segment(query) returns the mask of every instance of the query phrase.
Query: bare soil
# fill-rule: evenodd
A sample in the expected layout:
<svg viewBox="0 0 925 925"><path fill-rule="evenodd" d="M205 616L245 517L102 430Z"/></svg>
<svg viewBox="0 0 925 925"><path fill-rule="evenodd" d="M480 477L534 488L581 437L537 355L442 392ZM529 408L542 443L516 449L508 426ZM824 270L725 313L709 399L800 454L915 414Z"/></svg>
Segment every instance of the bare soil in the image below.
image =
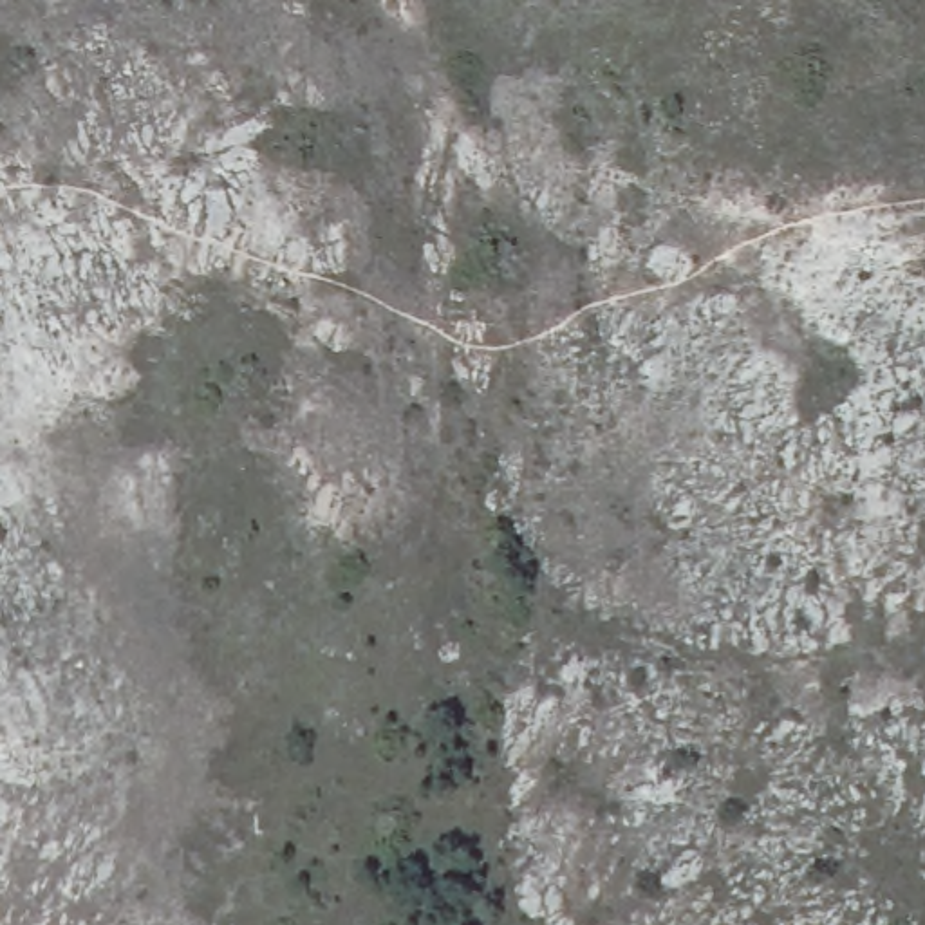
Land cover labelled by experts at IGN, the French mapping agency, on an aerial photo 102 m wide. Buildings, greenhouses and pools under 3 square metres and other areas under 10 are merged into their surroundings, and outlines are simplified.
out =
<svg viewBox="0 0 925 925"><path fill-rule="evenodd" d="M383 907L397 918L397 925L925 925L925 195L882 202L885 184L838 184L827 195L820 195L806 181L806 173L784 173L780 163L773 163L770 173L715 170L712 184L705 184L694 166L676 166L676 155L690 148L690 141L672 137L650 123L640 130L640 141L647 148L647 173L629 173L614 166L614 141L600 141L593 148L593 159L575 159L564 152L560 130L553 123L560 90L575 76L575 69L564 65L553 76L535 69L524 76L499 76L491 87L491 112L502 119L502 130L473 134L455 105L452 79L441 69L444 58L434 51L430 33L423 25L423 7L430 0L0 0L0 33L14 43L29 43L40 58L40 72L22 79L18 94L0 98L0 925L181 925L188 918L181 889L184 867L166 853L177 842L177 835L192 827L192 817L210 784L210 752L228 744L228 733L217 719L228 719L231 705L213 697L199 672L188 665L188 632L173 625L181 593L173 589L177 517L170 509L170 459L163 452L141 455L137 448L123 444L108 397L137 383L134 365L126 365L126 343L137 332L155 336L163 314L184 322L199 314L206 304L202 282L217 267L231 267L235 304L253 304L257 311L275 314L285 325L285 336L293 340L293 347L282 358L282 383L285 401L293 401L296 412L282 416L271 430L242 430L242 444L249 452L264 452L278 463L289 463L307 481L307 524L329 528L336 538L347 538L350 524L372 524L383 513L408 513L408 495L434 502L434 484L441 484L441 477L466 477L477 470L484 452L495 452L499 470L488 477L484 509L499 513L499 549L509 560L509 571L524 578L524 589L535 589L542 571L553 585L564 585L567 607L596 607L603 621L614 614L632 614L636 629L676 632L694 650L712 650L719 643L752 643L755 658L777 683L777 715L784 719L777 726L744 715L752 676L737 665L723 665L719 672L661 672L658 665L632 658L636 672L625 676L614 672L611 661L600 654L567 661L560 668L564 697L542 697L531 687L506 694L502 744L488 741L488 752L506 752L506 766L513 777L509 802L517 824L509 824L509 838L517 849L513 878L520 882L520 889L509 896L502 885L488 882L488 856L477 835L444 831L441 838L434 838L419 824L423 809L408 795L394 795L372 802L372 813L394 817L397 827L365 860L365 871ZM470 238L488 242L491 257L499 257L506 278L502 293L452 289L448 267Z"/></svg>
<svg viewBox="0 0 925 925"><path fill-rule="evenodd" d="M430 701L423 726L408 726L397 712L387 712L387 723L376 730L387 741L387 755L397 752L405 733L416 741L416 755L426 766L423 791L459 788L466 784L466 773L473 773L473 755L463 726L466 708L459 697L444 697Z"/></svg>

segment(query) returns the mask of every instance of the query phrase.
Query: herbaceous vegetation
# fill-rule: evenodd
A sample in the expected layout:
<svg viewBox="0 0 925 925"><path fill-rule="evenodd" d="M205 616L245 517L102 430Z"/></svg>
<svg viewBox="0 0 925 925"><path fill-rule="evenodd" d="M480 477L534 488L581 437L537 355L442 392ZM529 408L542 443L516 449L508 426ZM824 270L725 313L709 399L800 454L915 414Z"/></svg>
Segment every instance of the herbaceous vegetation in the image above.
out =
<svg viewBox="0 0 925 925"><path fill-rule="evenodd" d="M0 33L0 98L18 94L22 79L40 72L40 58L29 43L14 43Z"/></svg>
<svg viewBox="0 0 925 925"><path fill-rule="evenodd" d="M307 481L289 463L278 463L264 452L249 452L242 444L242 430L271 430L282 416L296 412L293 401L285 401L282 383L282 358L293 347L293 340L285 336L285 325L275 314L257 311L253 304L235 304L231 267L217 267L202 282L206 304L199 314L184 322L163 314L155 336L137 332L126 343L126 365L134 365L137 383L108 397L123 444L137 448L141 455L163 452L170 459L170 509L177 517L173 589L181 593L173 625L188 632L188 665L199 672L213 697L231 705L228 719L217 719L228 733L228 744L210 752L210 784L192 817L192 827L177 835L177 842L166 853L184 867L181 889L188 918L181 925L397 925L397 918L383 907L365 871L365 860L397 827L394 817L372 813L372 802L394 795L408 795L423 809L419 824L434 838L441 838L444 831L477 835L488 856L488 882L502 885L509 896L520 889L520 882L513 878L517 849L509 838L509 824L517 824L509 802L513 777L506 766L506 752L488 752L488 741L502 744L506 694L531 687L542 697L564 697L560 668L567 661L600 654L611 661L614 672L625 676L636 672L632 658L658 665L661 672L719 672L723 665L737 665L752 676L744 715L777 726L784 719L777 715L777 683L755 658L752 643L719 643L712 650L694 650L676 632L636 629L632 614L614 614L603 621L596 607L567 607L564 585L553 585L542 571L535 589L524 589L524 578L509 571L509 560L499 549L499 513L484 509L488 477L499 470L495 452L484 452L477 470L466 477L441 477L441 484L434 484L434 502L408 495L408 513L383 513L372 524L350 524L347 538L336 538L329 528L307 524ZM397 712L408 726L423 726L430 701L444 697L459 697L466 708L463 726L473 755L473 773L466 773L466 784L459 788L423 791L426 766L416 755L416 741L405 733L397 752L387 755L387 741L376 730L387 723L387 712Z"/></svg>
<svg viewBox="0 0 925 925"><path fill-rule="evenodd" d="M676 155L676 166L694 166L705 184L712 184L715 170L770 173L773 163L780 163L784 173L806 173L806 181L820 195L827 195L838 184L885 184L882 202L925 195L925 0L430 0L423 7L423 25L430 33L434 51L444 58L441 69L452 79L455 105L473 134L502 130L502 119L491 112L491 87L499 76L524 76L535 69L553 76L564 65L575 69L575 76L560 90L553 123L560 130L564 152L575 159L593 159L593 148L600 141L614 141L614 166L629 173L647 173L647 148L640 141L640 130L650 123L672 137L690 141L690 148Z"/></svg>
<svg viewBox="0 0 925 925"><path fill-rule="evenodd" d="M499 257L491 257L488 242L470 238L448 267L452 289L502 293L506 278Z"/></svg>

